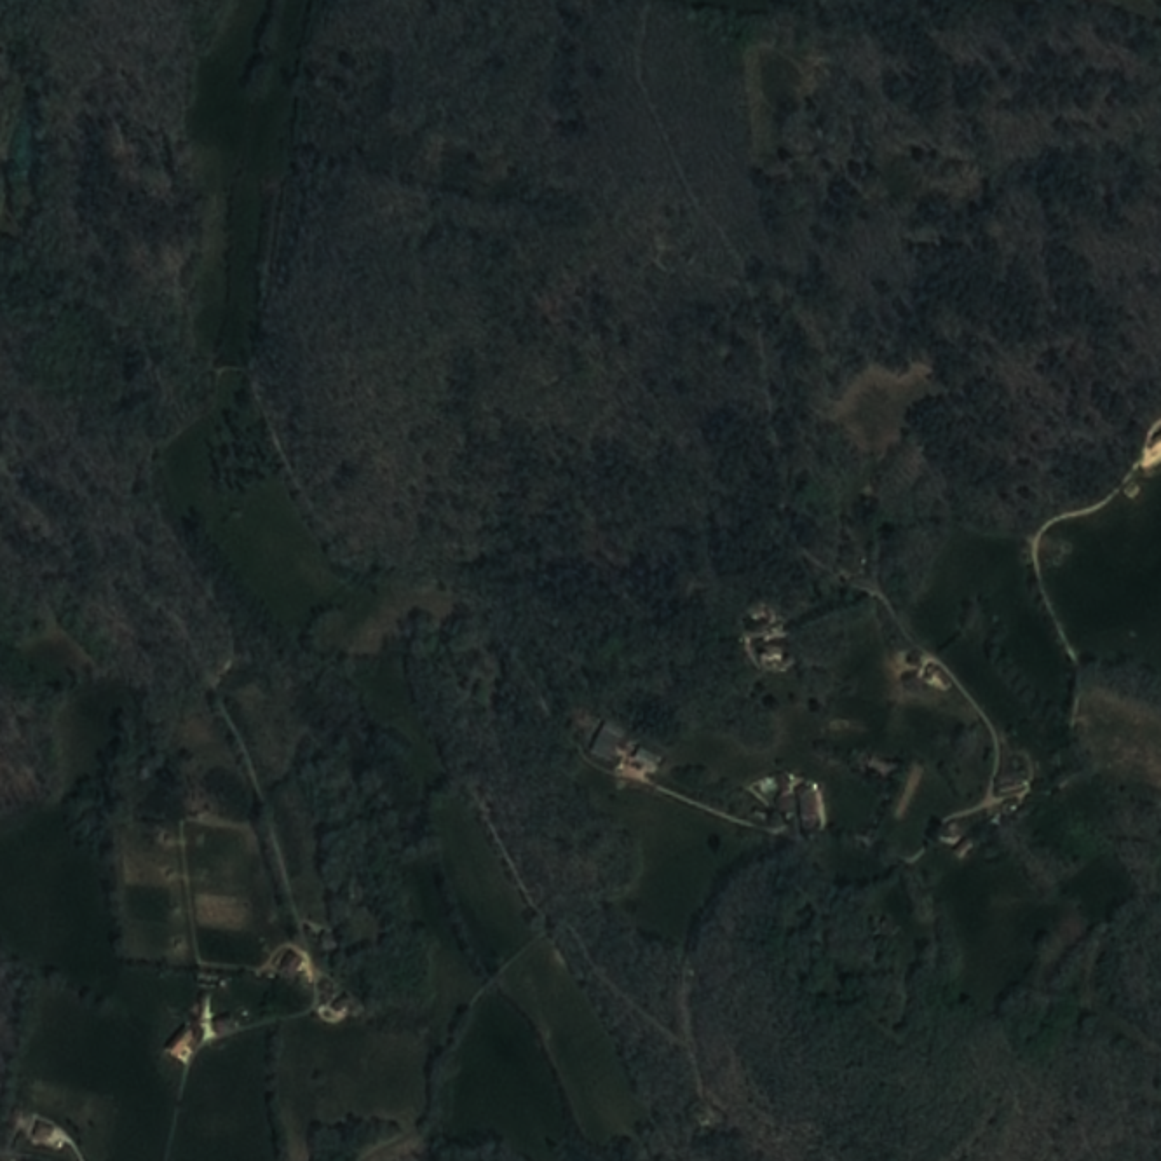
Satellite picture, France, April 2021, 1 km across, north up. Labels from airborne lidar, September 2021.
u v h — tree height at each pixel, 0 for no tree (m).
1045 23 20
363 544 11
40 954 0
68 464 22
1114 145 18
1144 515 0
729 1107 11
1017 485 24
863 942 17
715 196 16
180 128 16
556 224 21
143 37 20
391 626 0
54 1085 0
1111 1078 20
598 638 23
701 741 0
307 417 19
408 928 18
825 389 18
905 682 10
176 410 0
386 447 8
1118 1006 12
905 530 21
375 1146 17
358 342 14
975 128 21
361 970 19
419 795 12
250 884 0
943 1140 6
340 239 15
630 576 11
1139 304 15
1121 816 16
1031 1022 19
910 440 17
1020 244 11
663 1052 19
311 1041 0
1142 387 14
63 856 0
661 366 20
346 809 15
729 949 12
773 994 6
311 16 6
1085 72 19
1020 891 0
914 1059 11
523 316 13
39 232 18
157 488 16
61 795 16
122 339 18
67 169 21
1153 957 15
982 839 16
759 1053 9
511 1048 0
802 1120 14
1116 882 0
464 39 12
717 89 16
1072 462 17
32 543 21
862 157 17
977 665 0
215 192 0
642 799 0
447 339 15
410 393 11
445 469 19
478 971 11
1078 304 26
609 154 15
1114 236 14
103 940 0
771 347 19
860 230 21
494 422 19
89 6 24
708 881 0
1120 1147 15
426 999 14
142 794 0
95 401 16
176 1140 0
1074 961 14
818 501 19
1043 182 19
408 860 17
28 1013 19
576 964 17
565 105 22
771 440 20
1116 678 15
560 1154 14
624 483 26
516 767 20
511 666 20
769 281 21
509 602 22
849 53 16
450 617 0
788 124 20
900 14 19
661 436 21
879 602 10
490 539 19
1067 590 0
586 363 19
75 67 24
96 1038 0
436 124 11
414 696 8
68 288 26
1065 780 13
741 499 25
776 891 13
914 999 12
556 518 22
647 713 8
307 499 10
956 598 0
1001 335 24
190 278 15
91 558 24
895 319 14
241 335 0
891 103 16
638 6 14
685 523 22
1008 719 0
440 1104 13
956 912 0
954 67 16
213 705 15
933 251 12
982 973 0
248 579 0
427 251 13
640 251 15
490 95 14
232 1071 0
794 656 15
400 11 19
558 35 18
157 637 24
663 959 22
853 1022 12
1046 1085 12
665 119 17
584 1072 0
